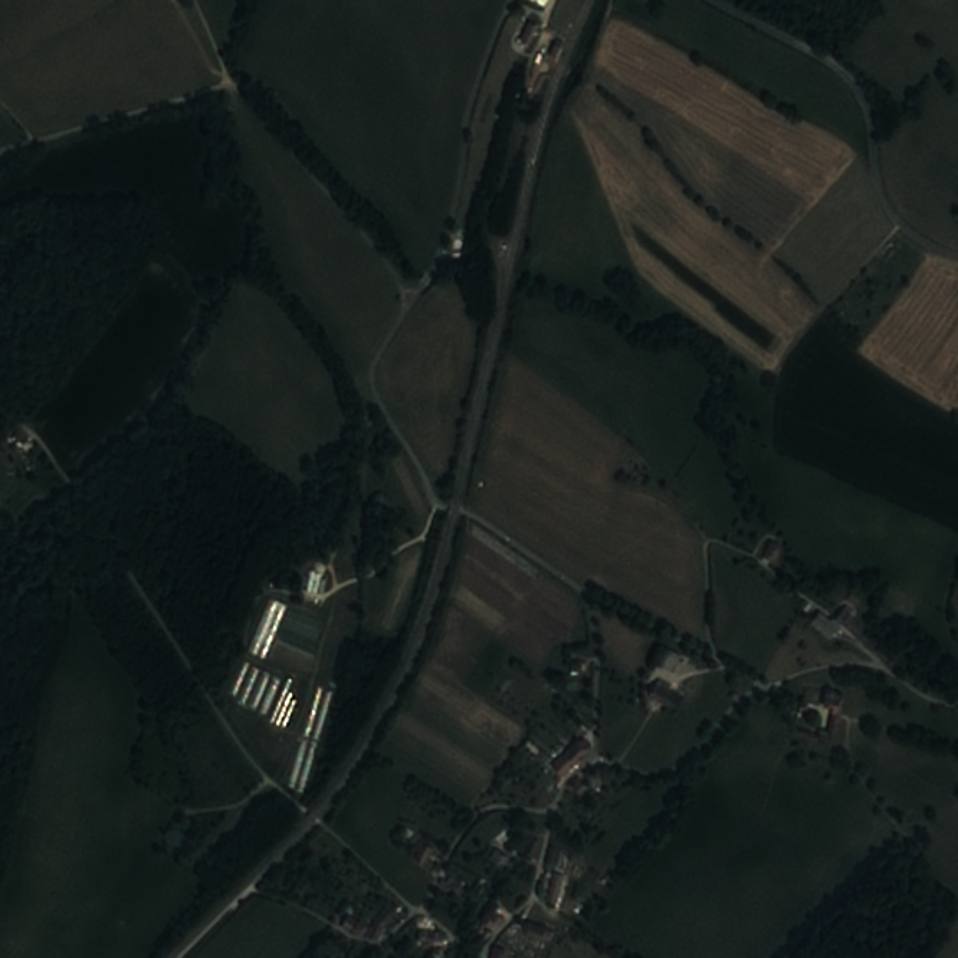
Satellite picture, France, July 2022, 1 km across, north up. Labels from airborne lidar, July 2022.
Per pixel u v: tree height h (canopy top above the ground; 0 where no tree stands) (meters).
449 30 0
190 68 0
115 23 0
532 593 0
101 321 22
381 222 20
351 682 25
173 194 0
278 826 15
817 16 7
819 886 0
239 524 14
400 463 0
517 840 12
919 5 0
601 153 0
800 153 0
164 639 15
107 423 0
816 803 0
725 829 0
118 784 0
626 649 0
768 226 0
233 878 15
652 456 0
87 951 0
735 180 0
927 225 0
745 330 0
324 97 0
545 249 0
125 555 27
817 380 0
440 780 0
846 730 0
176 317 0
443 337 0
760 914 0
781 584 6
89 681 0
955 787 0
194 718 7
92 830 0
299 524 14
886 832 0
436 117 0
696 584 0
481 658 0
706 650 13
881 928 28
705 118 0
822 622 0
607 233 0
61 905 0
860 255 0
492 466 0
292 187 0
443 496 7
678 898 0
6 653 27
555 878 0
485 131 0
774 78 0
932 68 0
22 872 0
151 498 24
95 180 0
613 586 0
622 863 16
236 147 15
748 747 0
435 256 0
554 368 0
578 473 0
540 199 0
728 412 21
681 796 22
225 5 0
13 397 21
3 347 23
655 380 0
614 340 0
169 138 0
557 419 0
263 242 19
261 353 0
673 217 0
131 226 28
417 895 0
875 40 0
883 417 0
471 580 0
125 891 0
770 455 0
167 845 11
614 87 0
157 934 0
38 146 14
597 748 0
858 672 13
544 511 0
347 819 0
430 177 0
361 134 0
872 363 0
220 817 9
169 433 20
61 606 23
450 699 0
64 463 0
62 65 0
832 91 0
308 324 20
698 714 0
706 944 0
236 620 26
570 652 7
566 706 9
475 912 8
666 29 0
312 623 0
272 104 25
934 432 0
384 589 0
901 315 0
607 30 0
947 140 0
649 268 0
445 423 0
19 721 24
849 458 0
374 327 0
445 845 11
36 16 0
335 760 9
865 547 0
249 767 0
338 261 0
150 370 0
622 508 0
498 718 0
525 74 10
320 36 0
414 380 0
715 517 0
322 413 0
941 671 21
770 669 0
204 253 0
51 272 25
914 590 0
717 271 0
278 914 0
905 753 0
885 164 0
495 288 7
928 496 0
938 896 22
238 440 11
